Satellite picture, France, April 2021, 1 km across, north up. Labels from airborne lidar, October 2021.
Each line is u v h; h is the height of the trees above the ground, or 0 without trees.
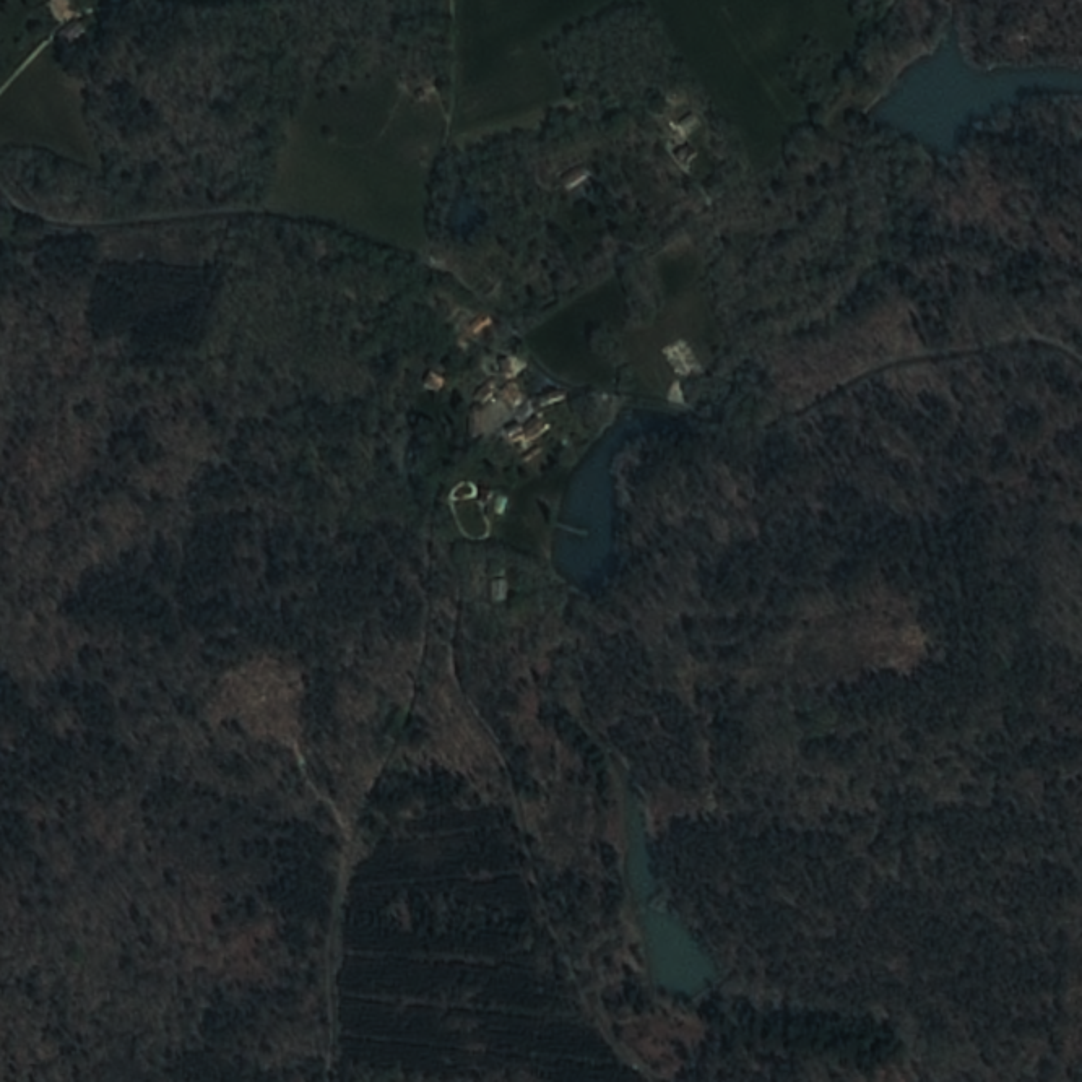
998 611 20
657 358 0
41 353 11
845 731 11
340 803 15
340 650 12
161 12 20
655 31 21
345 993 9
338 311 13
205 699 10
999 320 19
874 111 0
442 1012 13
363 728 12
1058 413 10
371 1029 9
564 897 22
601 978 16
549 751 10
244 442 21
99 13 0
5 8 13
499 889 12
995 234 15
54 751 22
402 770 12
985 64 20
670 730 25
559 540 0
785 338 12
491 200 15
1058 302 10
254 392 15
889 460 13
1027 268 16
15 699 25
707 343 0
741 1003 14
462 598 13
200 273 11
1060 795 19
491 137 0
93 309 12
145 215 17
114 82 8
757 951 19
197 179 12
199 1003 10
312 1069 14
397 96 0
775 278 14
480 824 10
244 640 21
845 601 17
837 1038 24
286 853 17
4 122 0
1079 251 20
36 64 0
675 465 21
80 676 10
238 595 6
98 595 26
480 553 20
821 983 14
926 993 25
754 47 0
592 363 0
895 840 25
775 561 23
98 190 14
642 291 19
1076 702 6
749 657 12
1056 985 20
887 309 23
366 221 0
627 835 0
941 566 18
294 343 17
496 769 18
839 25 0
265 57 28
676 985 0
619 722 25
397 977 10
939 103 0
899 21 15
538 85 0
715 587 26
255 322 21
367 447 13
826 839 7
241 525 16
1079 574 14
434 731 16
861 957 24
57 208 15
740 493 13
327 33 23
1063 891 21
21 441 13
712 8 0
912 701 21
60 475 17
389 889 10
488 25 0
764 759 17
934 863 12
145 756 12
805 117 0
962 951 25
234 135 16
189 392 19
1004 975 25
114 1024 12
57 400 13
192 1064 17
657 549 16
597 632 14
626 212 17
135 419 8
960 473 22
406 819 18
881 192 17
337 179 0
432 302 15
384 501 18
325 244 15
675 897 15
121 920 16
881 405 20
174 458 15
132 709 12
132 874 18
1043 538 17
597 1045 10
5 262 24
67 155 0
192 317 16
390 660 11
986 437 19
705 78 0
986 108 0
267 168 16
